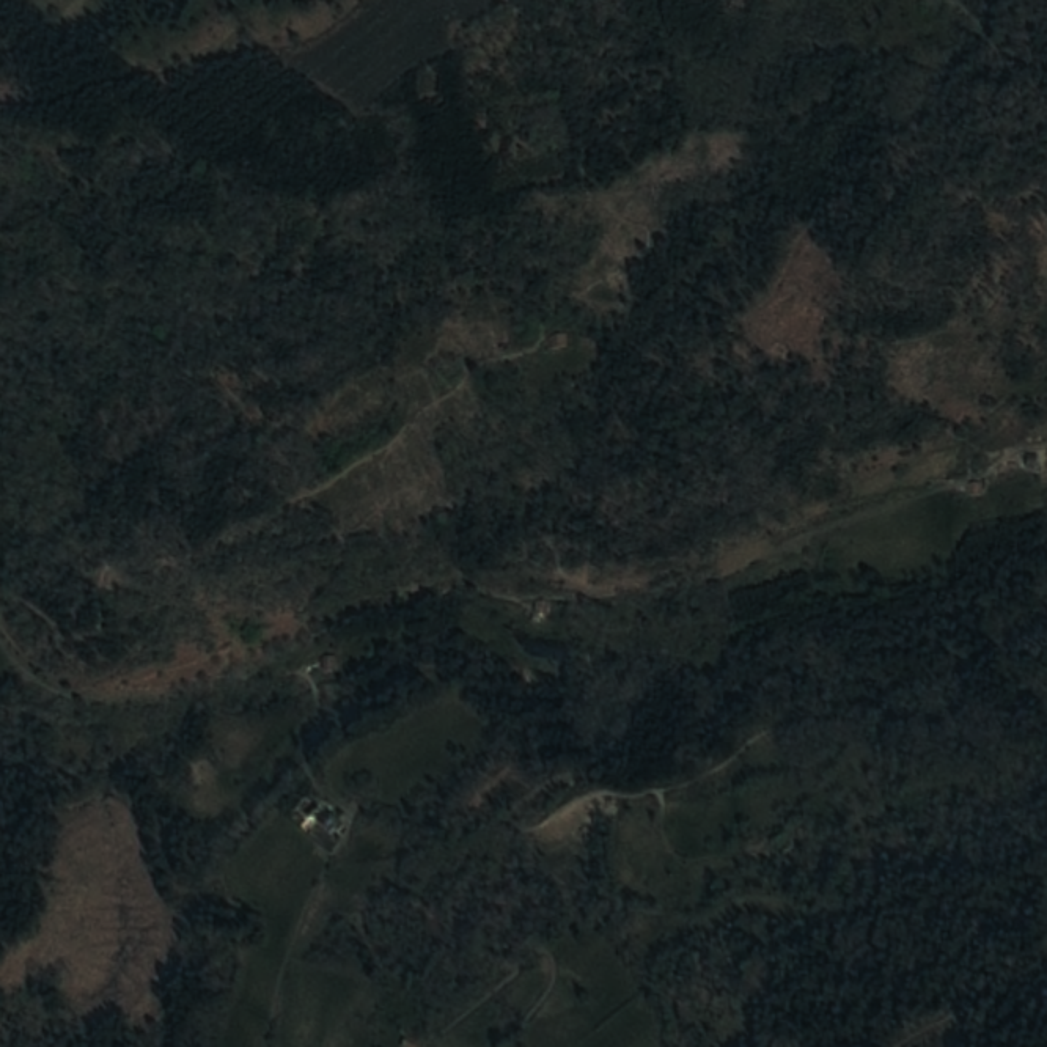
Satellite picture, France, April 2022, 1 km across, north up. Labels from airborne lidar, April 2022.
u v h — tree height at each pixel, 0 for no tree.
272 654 22
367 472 0
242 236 16
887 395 23
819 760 22
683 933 0
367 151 13
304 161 15
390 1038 0
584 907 17
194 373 18
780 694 21
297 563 22
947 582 17
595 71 18
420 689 34
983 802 20
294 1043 0
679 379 13
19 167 20
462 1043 0
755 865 17
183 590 9
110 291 7
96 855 0
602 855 18
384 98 8
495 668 21
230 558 21
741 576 8
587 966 0
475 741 0
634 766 22
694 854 0
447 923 19
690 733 26
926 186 17
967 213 20
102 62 13
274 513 22
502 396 7
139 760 21
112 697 0
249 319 14
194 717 19
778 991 16
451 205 16
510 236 24
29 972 0
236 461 21
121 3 8
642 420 22
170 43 0
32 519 16
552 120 29
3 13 23
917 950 21
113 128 22
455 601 16
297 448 28
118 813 0
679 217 16
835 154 13
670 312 22
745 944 19
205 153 20
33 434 17
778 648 29
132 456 8
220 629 0
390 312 19
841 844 14
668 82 17
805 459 29
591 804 0
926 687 24
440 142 14
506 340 0
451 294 27
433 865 21
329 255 9
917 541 0
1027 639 17
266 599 14
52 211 13
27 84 16
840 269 22
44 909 27
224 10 13
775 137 19
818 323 0
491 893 18
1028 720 28
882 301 16
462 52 14
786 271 0
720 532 28
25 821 16
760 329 0
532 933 26
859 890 6
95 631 11
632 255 0
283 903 0
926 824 19
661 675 20
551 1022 0
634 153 9
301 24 0
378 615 19
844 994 33
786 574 7
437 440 9
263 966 0
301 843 0
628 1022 0
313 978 0
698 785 0
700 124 17
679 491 20
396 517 0
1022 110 17
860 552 0
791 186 11
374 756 0
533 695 14
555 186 16
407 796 0
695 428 22
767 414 9
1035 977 6
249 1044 0
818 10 6
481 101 8
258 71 17
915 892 28
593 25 10
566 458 26
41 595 14
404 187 20
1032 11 27
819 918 16
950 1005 8
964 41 21
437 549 21
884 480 0
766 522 23
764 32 23
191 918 8
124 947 0
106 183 22
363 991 0
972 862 21
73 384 18
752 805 0
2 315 17
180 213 21
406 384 0
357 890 0
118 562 21
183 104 17
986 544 14
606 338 11
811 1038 26
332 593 21
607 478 20
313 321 20
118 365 8
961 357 0
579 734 22
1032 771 18
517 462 23
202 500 21
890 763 22
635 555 20
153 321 20
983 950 22
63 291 17
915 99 18
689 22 26
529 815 14
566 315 15
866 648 25
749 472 22
